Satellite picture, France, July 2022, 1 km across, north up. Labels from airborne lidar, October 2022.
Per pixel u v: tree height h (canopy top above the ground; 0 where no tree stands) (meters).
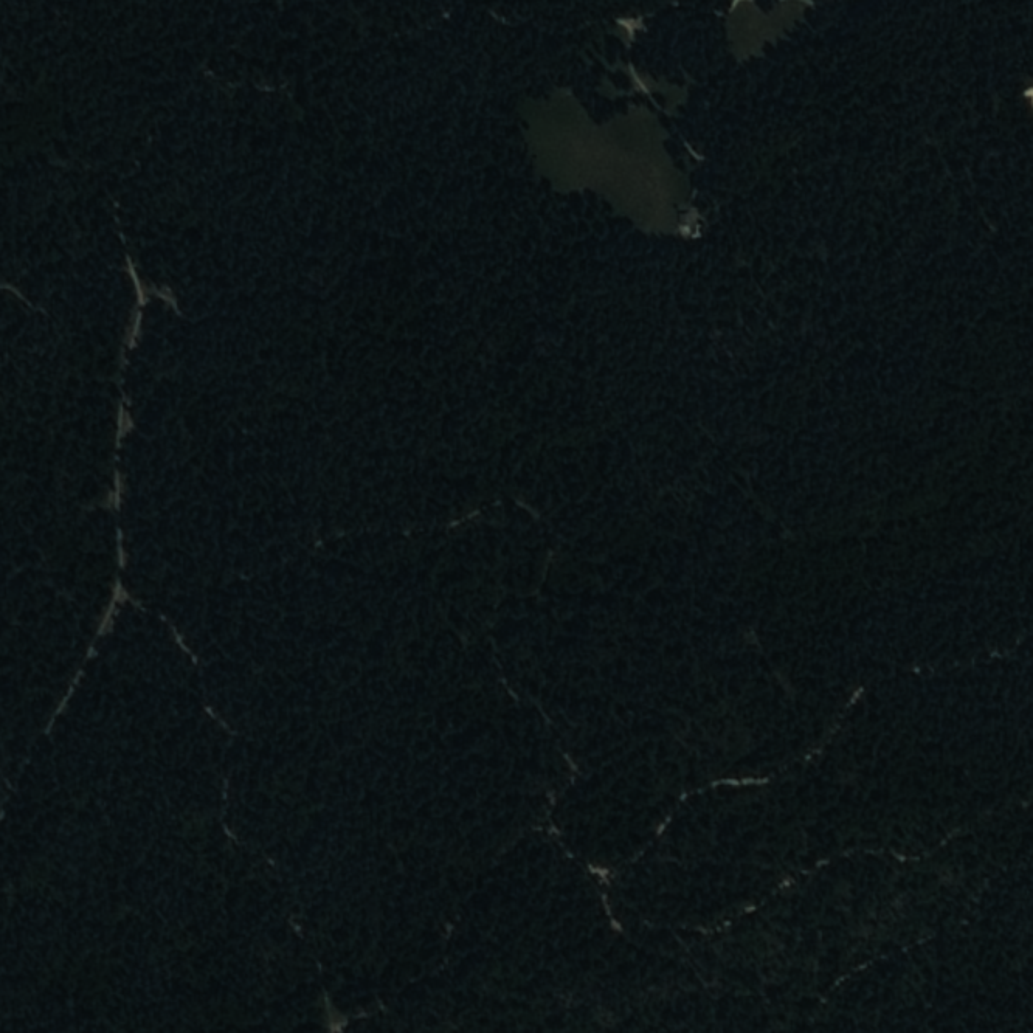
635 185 0
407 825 21
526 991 22
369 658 22
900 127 21
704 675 24
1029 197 25
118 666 20
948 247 16
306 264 29
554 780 25
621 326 18
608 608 30
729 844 19
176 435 27
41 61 22
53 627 19
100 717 24
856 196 14
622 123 0
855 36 24
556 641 27
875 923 12
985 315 20
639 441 22
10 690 23
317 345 21
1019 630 17
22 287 8
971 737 25
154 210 18
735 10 0
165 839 21
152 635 13
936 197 25
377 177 30
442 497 14
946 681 21
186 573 26
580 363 26
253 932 20
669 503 8
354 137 21
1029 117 16
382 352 26
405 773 27
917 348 19
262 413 25
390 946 16
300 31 29
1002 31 27
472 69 31
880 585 21
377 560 22
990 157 23
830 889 22
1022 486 21
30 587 22
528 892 26
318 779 23
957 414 23
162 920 30
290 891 20
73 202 24
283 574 17
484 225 26
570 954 23
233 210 17
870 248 17
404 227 35
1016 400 15
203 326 25
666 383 21
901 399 26
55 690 19
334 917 18
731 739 7
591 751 15
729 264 20
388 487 29
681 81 18
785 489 27
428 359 24
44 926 27
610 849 21
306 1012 6
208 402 17
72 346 20
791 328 14
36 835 20
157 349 25
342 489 27
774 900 23
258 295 21
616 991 25
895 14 23
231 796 33
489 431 16
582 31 22
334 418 28
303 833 11
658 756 23
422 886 21
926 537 15
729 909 12
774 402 21
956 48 24
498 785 22
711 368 19
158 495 27
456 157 31
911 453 13
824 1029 19
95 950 26
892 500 11
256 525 18
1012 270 23
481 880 14
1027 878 26
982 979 10
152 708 25
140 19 26
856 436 11
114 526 10
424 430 28
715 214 13
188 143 14
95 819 23
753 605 26
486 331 27
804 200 21
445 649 23
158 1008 31
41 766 21
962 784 22
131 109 32
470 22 21
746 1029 32
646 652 31
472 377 25
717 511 25
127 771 23
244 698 28
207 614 8
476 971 24
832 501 19
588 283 32
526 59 24
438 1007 24
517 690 24
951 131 28
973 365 21
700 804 22
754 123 23
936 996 24
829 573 7
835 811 20
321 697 21
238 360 21
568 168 0
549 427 21
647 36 16
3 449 16
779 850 15
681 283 19
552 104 0
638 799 25
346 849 19
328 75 33
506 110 27
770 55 19
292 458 24
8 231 22
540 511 25
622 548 6
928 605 19
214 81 25
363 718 26
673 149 22
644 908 25
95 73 24
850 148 20
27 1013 12
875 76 18
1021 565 20
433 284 30
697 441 16
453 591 20
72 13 23
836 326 21
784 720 14
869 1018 21
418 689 22
